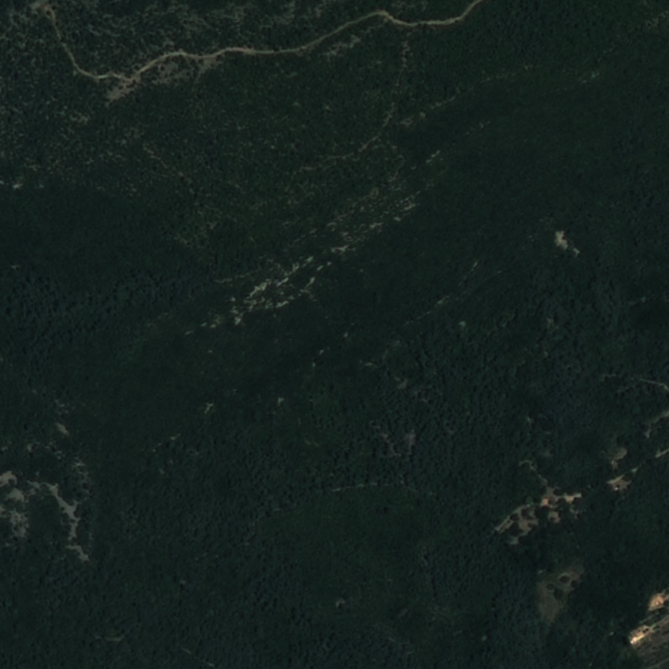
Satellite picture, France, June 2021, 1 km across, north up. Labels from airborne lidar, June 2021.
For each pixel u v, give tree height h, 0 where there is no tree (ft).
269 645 31
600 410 48
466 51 19
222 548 33
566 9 31
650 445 29
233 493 48
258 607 50
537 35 35
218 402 35
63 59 20
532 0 31
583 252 36
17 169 19
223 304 27
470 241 31
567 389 57
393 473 49
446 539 24
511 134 23
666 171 28
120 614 36
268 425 27
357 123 22
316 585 22
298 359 32
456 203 33
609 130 24
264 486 57
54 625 31
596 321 45
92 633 49
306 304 21
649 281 42
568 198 31
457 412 54
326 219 20
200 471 24
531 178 24
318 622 22
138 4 20
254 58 35
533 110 30
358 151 19
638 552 26
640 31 27
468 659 24
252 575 30
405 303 28
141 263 27
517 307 40
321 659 44
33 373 22
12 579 48
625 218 30
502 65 18
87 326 32
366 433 42
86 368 22
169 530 53
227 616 30
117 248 18
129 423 28
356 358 33
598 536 33
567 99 31
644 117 32
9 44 27
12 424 28
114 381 27
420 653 27
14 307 26
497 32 28
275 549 50
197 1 23
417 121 17
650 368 38
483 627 35
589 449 33
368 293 26
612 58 24
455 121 31
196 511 46
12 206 20
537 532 42
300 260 21
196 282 38
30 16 20
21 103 20
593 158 26
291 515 19
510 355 34
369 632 26
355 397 30
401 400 41
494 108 29
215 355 22
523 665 59
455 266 33
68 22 22
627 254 42
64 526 18
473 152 25
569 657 56
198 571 58
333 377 38
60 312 47
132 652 34
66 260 33
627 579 35
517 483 47
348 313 31
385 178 20
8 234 32
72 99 22
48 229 23
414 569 20
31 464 29
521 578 47
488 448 28
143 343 17
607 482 35
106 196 20
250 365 34
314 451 23
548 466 34
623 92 32
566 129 30
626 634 56
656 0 42
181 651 49
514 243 24
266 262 20
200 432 54
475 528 39
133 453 33
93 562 18
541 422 61
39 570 37
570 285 34
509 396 51
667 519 40
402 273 30
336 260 27
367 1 29
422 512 20
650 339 52
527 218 26
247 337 25
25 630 32
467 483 58
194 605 29
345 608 42
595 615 44
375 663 22
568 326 59
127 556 30
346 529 20
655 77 29
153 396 24
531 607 48
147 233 18
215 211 30
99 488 31
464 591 50
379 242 25
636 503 47
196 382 22
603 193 39
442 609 28
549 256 30
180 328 26
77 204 18
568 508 27
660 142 35
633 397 26
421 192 17
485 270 29
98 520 28
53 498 22
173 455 35
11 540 23
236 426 31
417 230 20
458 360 45
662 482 40
